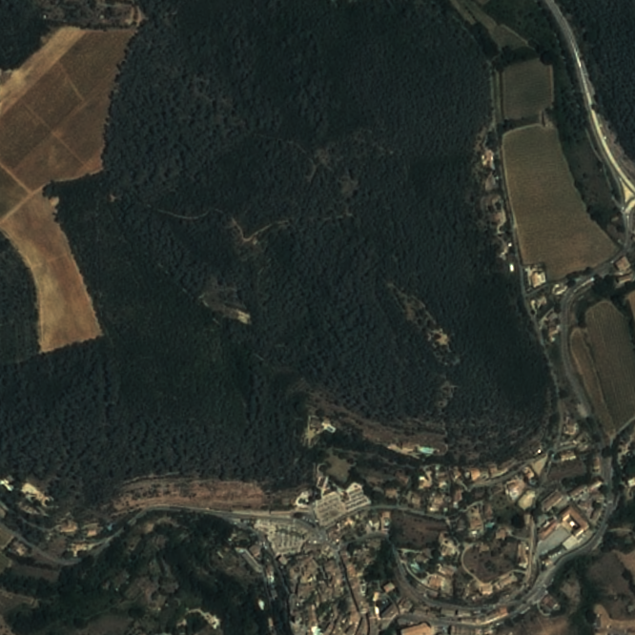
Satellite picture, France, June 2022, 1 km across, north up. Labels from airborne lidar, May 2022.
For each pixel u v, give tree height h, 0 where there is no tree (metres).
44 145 0
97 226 6
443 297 11
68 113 0
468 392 11
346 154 9
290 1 7
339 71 10
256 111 18
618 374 0
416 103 14
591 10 8
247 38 12
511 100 0
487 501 7
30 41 6
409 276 12
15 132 0
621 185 0
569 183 0
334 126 7
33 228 0
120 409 20
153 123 21
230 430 7
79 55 0
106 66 0
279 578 15
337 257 12
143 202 17
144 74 18
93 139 0
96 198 9
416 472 7
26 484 19
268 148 16
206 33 13
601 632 0
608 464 0
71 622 7
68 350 10
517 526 13
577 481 8
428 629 0
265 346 19
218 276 18
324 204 15
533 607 0
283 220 6
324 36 8
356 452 8
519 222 0
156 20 18
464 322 11
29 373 9
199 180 15
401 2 17
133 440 19
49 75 0
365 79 12
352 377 23
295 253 20
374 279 7
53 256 0
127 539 9
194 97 19
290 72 7
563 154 0
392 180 12
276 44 7
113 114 18
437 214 16
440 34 9
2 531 0
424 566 11
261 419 19
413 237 12
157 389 7
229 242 6
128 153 21
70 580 12
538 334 10
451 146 14
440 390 11
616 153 0
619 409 0
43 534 16
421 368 9
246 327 8
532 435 6
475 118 14
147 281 6
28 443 20
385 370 21
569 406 0
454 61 11
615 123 7
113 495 7
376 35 6
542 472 0
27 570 0
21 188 0
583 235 0
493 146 23
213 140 19
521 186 0
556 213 0
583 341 0
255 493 0
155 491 9
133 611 10
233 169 8
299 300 22
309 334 19
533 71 0
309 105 9
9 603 0
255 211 10
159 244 20
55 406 18
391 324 6
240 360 15
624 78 9
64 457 18
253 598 15
